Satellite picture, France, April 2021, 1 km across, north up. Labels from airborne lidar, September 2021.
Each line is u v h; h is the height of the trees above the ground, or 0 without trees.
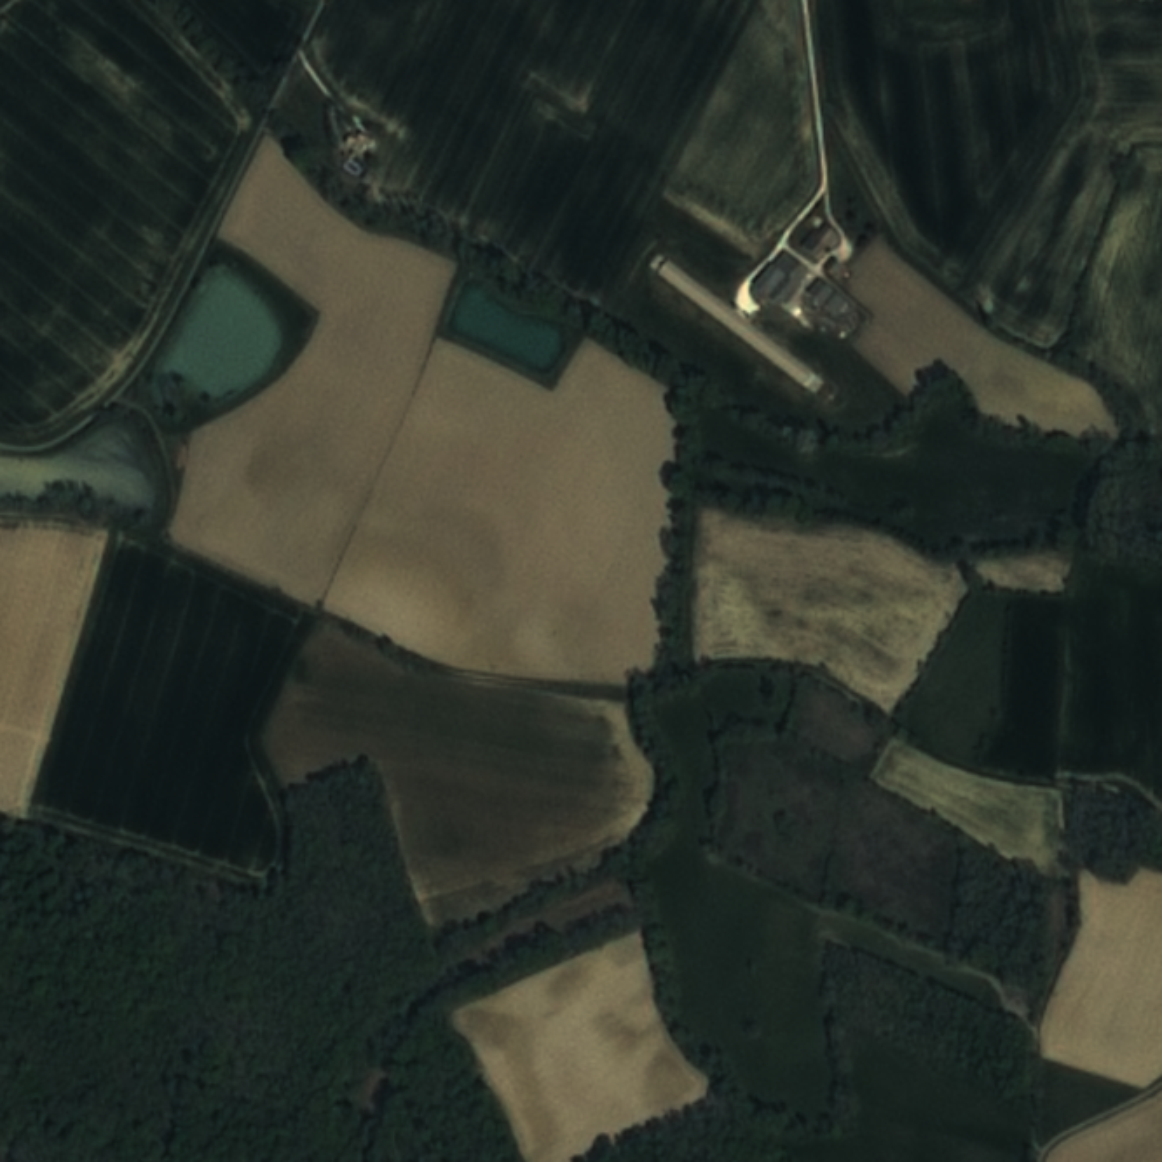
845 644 0
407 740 0
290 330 0
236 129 0
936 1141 0
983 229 0
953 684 0
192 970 20
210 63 11
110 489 0
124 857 7
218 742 0
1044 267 0
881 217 0
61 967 20
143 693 0
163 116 0
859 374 0
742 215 0
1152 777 0
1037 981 24
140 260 0
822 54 0
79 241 0
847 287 0
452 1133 25
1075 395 0
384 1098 9
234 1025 18
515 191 0
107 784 0
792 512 24
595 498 0
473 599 0
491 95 0
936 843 0
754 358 0
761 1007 0
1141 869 20
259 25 0
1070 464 0
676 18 0
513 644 0
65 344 0
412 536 0
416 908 18
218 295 0
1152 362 0
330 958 21
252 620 0
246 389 0
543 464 0
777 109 0
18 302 0
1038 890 17
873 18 0
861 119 0
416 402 0
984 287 0
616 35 0
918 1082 0
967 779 0
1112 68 0
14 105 0
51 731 0
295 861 17
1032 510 0
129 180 0
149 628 0
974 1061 13
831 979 8
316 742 0
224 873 0
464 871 0
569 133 0
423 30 0
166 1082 9
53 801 0
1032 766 0
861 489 0
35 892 21
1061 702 0
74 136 0
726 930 0
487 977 20
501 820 0
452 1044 24
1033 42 0
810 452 30
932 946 14
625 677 0
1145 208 0
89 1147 26
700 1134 23
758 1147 23
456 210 0
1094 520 30
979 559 13
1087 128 0
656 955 19
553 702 0
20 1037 14
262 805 0
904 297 0
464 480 0
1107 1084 0
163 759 0
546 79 0
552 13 0
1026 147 0
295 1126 20
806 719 0
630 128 0
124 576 0
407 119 0
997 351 0
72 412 0
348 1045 26
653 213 0
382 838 16
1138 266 0
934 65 0
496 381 0
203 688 0
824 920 0
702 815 0
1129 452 18
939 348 0
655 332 0
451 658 0
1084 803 11
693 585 19
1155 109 0
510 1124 12
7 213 0
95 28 0
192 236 0
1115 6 0
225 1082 16
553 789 0
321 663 0
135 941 23
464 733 0
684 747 0
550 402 0
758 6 0
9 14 0
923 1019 10
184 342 0
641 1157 26
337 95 0
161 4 20
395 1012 23
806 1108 0
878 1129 0
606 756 0
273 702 0
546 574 0
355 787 18
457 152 0
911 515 19
